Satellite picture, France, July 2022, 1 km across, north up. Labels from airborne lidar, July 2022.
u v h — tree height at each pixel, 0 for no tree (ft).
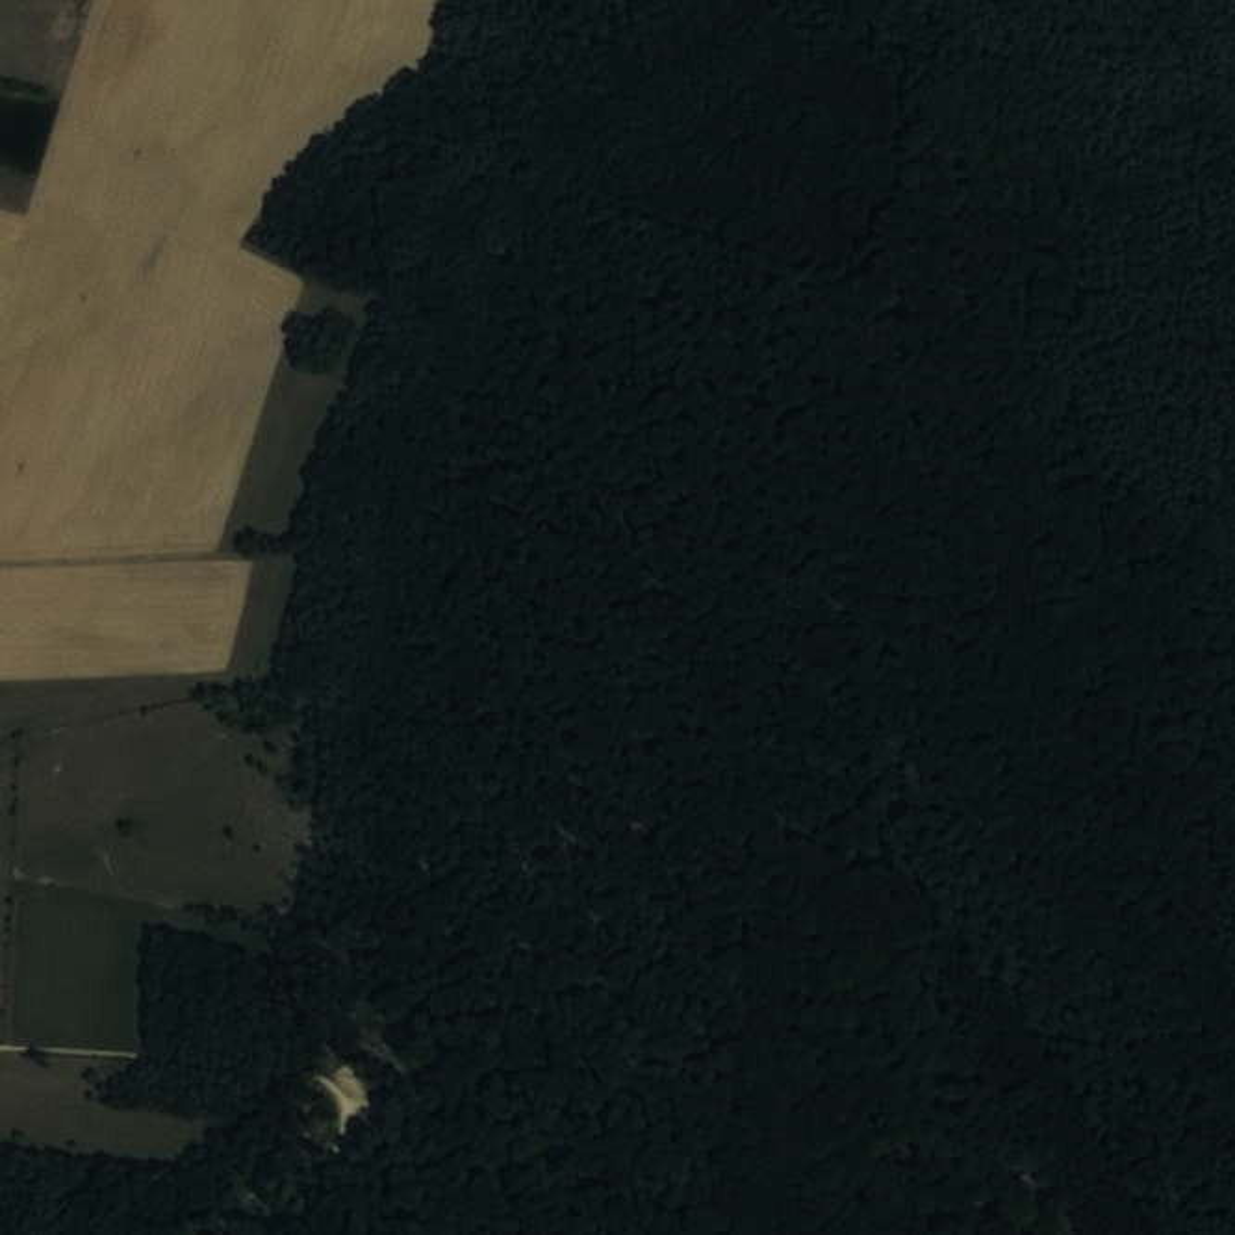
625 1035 81
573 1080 101
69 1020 0
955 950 54
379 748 74
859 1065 118
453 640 86
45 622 0
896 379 104
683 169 52
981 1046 33
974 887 102
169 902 0
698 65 52
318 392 0
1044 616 103
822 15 74
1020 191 97
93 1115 0
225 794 0
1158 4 79
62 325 0
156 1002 64
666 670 92
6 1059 0
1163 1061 95
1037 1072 46
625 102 57
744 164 50
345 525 74
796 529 91
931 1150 101
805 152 60
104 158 0
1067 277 91
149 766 0
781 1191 92
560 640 88
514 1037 103
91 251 0
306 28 0
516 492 103
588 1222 96
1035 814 94
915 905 107
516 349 80
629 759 85
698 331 94
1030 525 108
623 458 93
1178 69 76
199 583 0
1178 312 87
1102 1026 98
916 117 71
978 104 95
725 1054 108
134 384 0
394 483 74
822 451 98
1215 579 75
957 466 105
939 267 114
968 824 97
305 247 85
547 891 92
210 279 0
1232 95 81
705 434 94
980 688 97
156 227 0
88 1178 48
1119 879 100
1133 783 91
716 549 89
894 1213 121
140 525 0
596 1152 93
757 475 82
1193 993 97
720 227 51
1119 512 116
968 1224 113
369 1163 98
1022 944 108
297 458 0
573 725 86
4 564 0
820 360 91
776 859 98
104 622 0
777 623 87
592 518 97
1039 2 83
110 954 0
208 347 0
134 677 0
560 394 89
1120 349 113
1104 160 75
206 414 0
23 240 0
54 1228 88
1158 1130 104
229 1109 73
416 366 68
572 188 51
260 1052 79
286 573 0
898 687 99
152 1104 57
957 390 106
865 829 116
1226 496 74
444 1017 95
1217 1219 97
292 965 96
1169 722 33
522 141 85
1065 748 109
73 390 0
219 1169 100
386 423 73
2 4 0
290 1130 96
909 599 76
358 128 69
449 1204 119
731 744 98
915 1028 117
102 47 0
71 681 0
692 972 102
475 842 92
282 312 0
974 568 110
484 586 73
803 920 67
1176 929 102
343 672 63
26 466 0
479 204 66
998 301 102
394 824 83
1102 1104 76
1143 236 91
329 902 94
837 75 52
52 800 0
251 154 0
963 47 81
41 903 0
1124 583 115
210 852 0
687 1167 91
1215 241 79
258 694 58
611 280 87
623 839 89
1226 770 82
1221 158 82
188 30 0
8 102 0
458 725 90
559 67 86
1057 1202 86
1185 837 93
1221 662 105
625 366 88
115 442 0
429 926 105
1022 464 108
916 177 93
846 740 111
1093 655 106
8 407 0
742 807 94
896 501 100
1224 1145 93
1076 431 105
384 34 0
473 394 41
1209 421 105
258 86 0
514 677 92
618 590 89
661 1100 97
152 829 0
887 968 110
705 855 94
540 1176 110
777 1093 105
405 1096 106
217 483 0
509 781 89
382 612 77
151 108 0
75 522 0
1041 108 94
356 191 93
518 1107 96
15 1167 71
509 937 101
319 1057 88
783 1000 93
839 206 57
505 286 82
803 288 86
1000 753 81
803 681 96
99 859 0
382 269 32
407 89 79
